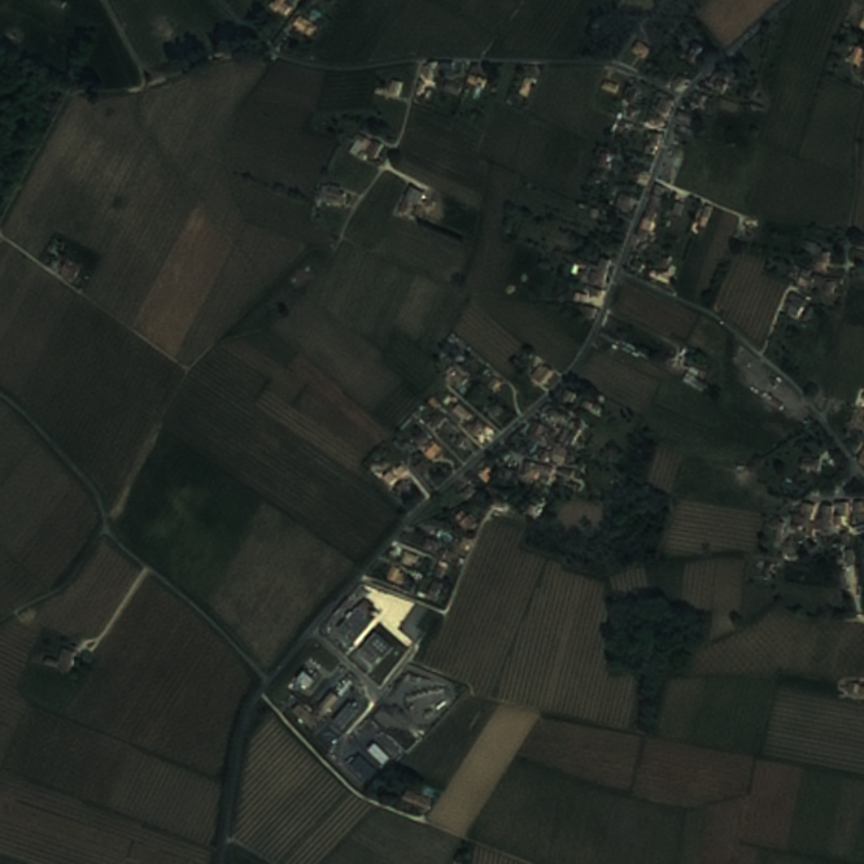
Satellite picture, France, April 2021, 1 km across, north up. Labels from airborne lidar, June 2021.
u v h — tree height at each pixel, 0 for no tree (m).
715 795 0
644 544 15
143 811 0
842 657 0
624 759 0
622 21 17
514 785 0
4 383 0
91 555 0
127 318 0
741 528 0
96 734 0
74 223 0
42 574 0
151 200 0
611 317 0
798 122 0
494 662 0
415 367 0
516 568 0
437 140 0
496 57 0
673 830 0
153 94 0
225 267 0
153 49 0
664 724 0
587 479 12
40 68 18
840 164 0
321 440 0
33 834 0
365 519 0
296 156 0
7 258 0
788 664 0
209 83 0
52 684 0
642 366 0
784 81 0
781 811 0
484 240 0
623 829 0
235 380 0
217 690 0
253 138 0
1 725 0
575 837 0
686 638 22
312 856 0
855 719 0
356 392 0
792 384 0
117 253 0
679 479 0
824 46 0
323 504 0
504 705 0
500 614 0
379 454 8
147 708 0
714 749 0
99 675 0
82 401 0
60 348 0
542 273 0
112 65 0
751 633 0
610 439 0
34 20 0
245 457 0
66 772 0
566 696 0
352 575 0
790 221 0
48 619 0
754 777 0
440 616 0
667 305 0
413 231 0
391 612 0
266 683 0
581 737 0
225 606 0
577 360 0
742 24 0
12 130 25
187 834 0
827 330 0
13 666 0
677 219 0
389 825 0
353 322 0
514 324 0
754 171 0
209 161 0
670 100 0
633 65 0
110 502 0
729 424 0
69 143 0
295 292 0
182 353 0
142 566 0
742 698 0
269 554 0
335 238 7
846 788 0
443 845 0
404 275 0
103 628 0
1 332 0
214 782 0
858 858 0
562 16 0
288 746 0
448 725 0
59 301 0
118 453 0
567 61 0
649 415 0
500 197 0
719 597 0
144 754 0
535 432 0
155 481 0
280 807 0
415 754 0
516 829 0
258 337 0
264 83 0
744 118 0
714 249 0
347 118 7
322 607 0
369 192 0
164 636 0
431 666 0
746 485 0
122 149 0
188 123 0
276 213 0
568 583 0
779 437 0
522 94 8
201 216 0
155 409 0
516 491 8
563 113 0
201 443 0
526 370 10
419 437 8
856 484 8
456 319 0
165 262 0
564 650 0
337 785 0
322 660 0
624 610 22
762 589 0
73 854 0
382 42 0
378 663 0
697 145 0
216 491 0
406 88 0
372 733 0
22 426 0
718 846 0
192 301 0
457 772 0
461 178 0
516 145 0
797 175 0
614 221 11
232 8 0
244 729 0
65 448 0
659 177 0
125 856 0
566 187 0
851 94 0
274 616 0
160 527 0
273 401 0
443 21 0
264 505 0
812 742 0
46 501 0
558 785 0
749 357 0
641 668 15
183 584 0
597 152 5
